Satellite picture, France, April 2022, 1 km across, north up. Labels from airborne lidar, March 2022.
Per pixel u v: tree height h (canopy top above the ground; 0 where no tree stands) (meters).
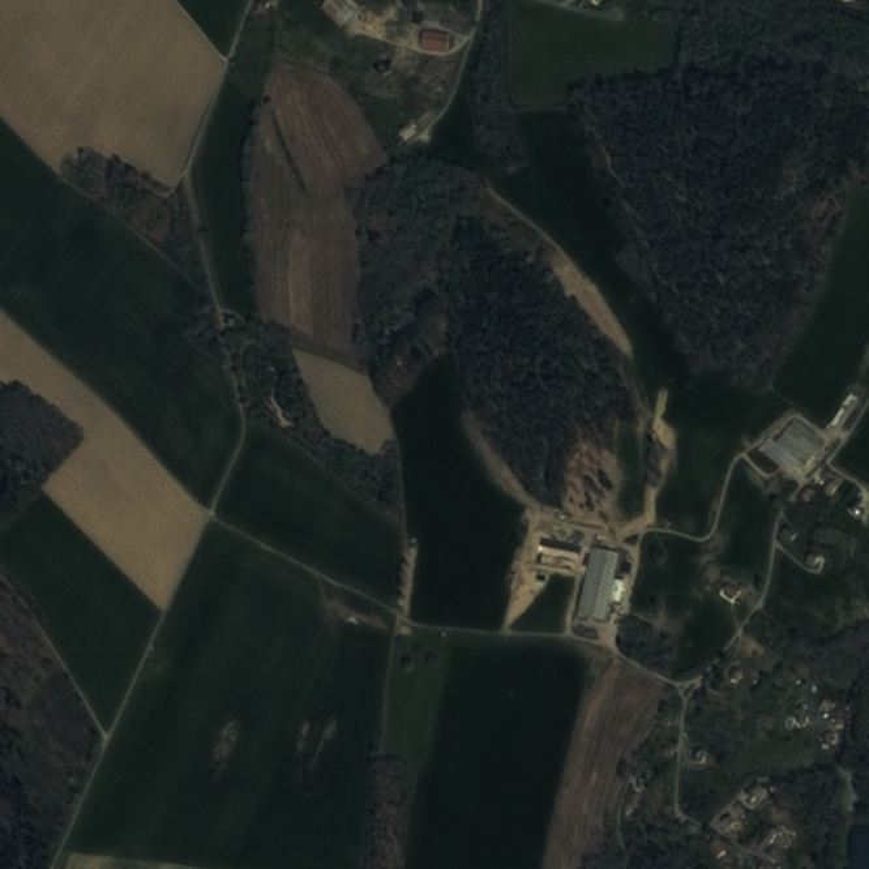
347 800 0
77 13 0
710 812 9
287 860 0
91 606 0
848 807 0
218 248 0
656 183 21
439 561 0
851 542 0
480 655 0
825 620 0
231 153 0
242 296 0
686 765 0
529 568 0
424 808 0
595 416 24
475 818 0
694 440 0
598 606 0
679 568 0
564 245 0
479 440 0
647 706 0
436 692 0
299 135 0
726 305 21
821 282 20
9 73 0
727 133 13
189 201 0
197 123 0
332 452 8
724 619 0
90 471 0
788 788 18
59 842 19
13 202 0
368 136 0
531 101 0
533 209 0
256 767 0
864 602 0
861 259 0
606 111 21
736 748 9
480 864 0
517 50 0
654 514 0
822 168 11
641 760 14
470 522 0
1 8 0
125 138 0
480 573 0
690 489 0
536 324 14
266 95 0
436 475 0
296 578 0
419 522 0
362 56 0
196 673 0
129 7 0
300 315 0
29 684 25
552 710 0
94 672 0
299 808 0
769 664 0
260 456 0
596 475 18
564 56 0
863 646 20
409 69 0
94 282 0
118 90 0
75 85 0
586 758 0
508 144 14
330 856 0
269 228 0
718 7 20
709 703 20
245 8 0
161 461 0
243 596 0
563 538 0
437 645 0
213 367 0
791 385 0
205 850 0
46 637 0
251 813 0
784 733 0
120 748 0
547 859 0
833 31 13
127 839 0
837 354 0
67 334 0
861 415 0
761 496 0
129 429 0
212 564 0
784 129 11
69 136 0
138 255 0
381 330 14
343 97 0
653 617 0
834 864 26
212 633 0
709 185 22
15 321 0
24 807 22
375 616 0
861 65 25
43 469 16
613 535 0
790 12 8
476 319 9
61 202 0
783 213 16
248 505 0
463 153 0
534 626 0
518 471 17
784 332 13
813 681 10
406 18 0
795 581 0
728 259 21
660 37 0
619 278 0
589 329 14
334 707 0
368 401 0
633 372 0
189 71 0
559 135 0
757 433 0
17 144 0
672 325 23
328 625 0
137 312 0
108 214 0
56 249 0
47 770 0
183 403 0
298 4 0
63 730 0
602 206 0
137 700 0
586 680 0
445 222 7
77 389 0
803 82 20
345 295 0
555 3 0
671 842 17
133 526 0
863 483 0
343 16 0
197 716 0
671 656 15
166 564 0
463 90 0
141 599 0
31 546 0
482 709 0
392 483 12
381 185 13
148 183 13
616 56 0
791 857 0
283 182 0
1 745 24
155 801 0
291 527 0
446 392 0
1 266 0
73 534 0
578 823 0
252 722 0
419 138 0
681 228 21
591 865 21
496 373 19
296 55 0
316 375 0
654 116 19
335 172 0
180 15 0
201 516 0
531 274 11
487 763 0
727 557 0
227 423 0
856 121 13
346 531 0
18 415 26
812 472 0
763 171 17
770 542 0
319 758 0
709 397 0
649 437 0
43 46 0
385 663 0
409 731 0
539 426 22
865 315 0
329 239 0
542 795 0
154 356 0
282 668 0
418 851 0
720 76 8
